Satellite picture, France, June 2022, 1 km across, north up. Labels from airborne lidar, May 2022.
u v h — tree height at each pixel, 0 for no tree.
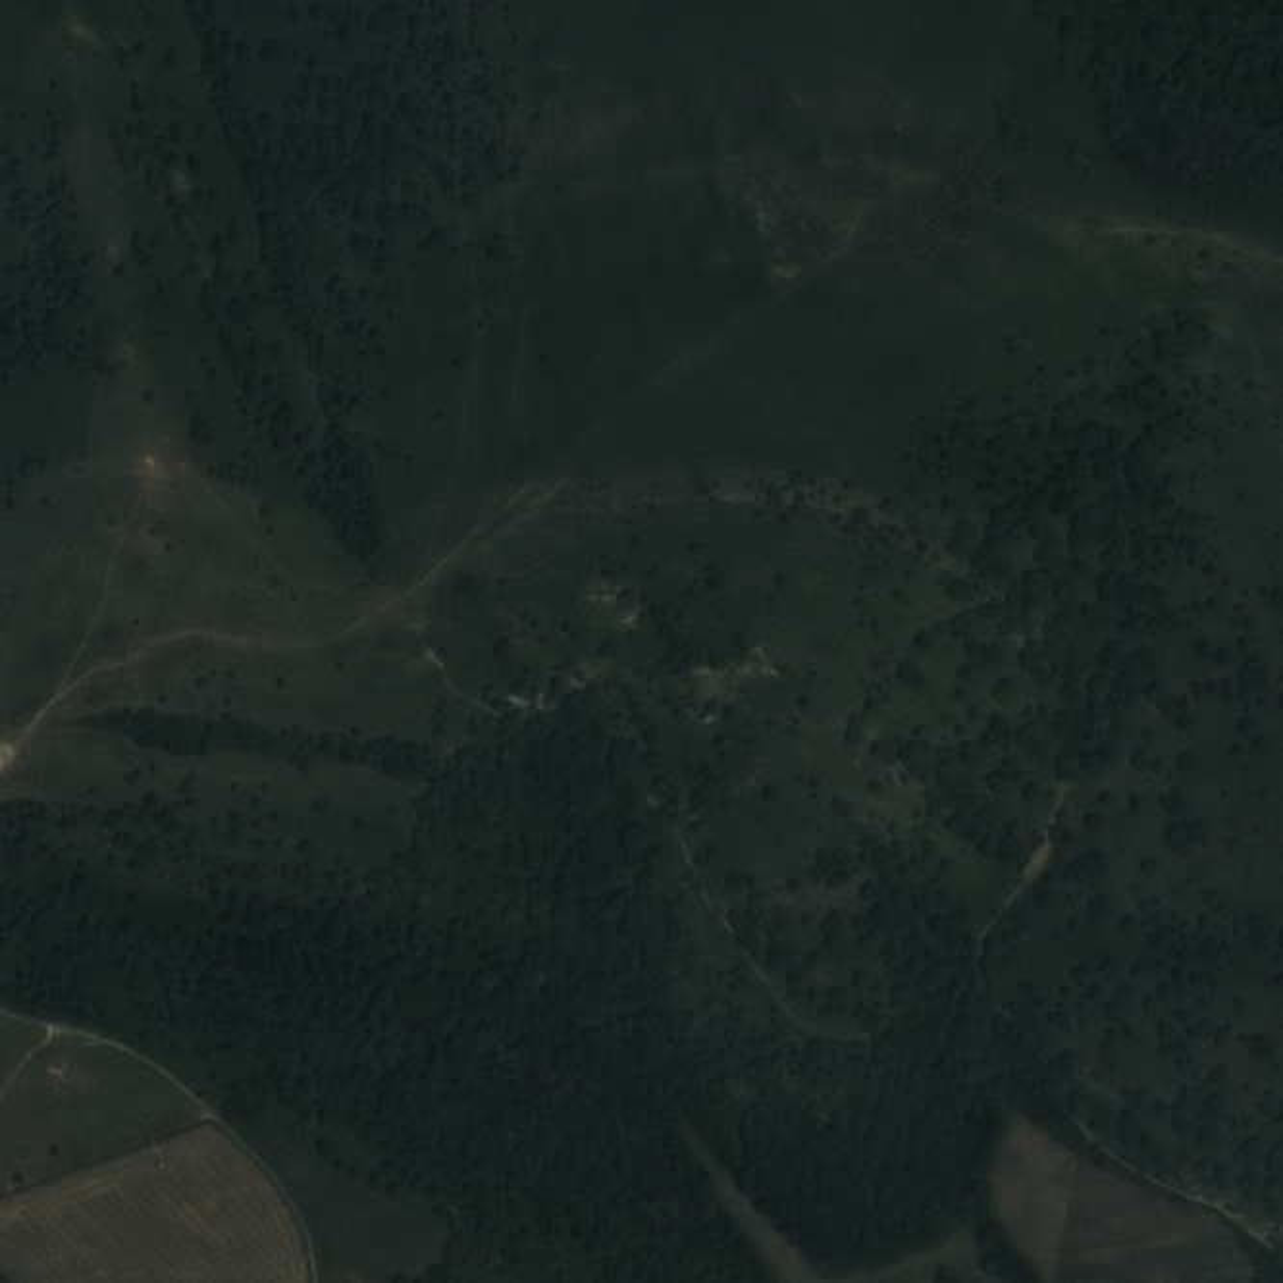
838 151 0
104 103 0
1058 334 0
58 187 8
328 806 8
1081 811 0
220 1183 0
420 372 0
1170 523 7
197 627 0
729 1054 10
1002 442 8
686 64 0
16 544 0
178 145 13
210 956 12
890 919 18
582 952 10
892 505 9
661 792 11
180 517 0
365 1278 0
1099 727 10
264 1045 11
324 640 0
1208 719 0
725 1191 0
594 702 9
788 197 0
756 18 0
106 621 0
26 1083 0
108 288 0
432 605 0
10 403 0
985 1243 16
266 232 13
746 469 0
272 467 0
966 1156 20
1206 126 19
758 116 0
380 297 7
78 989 18
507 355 0
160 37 0
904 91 0
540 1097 23
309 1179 0
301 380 0
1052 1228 0
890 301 0
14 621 0
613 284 0
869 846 11
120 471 0
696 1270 16
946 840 0
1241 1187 11
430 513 0
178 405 0
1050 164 0
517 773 13
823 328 0
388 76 13
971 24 0
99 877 0
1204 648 14
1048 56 0
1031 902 6
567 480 0
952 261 0
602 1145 16
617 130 0
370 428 0
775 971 11
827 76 0
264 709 0
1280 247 0
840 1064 9
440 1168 12
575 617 0
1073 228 0
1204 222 0
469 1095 16
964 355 0
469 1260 8
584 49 0
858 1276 0
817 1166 13
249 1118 11
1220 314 0
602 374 0
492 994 13
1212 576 13
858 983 10
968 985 12
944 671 0
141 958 9
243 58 14
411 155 12
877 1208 20
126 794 0
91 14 0
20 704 0
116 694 0
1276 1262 9
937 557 6
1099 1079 8
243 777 0
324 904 9
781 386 0
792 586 9
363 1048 18
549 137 0
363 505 8
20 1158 0
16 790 0
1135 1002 13
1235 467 0
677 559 0
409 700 0
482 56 8
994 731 17
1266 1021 0
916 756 15
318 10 12
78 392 0
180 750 9
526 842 11
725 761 8
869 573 6
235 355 13
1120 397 9
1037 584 18
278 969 22
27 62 0
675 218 0
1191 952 18
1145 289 0
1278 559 0
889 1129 11
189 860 9
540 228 0
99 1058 0
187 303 0
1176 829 12
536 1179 10
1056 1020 10
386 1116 16
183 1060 0
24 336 12
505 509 0
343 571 0
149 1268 0
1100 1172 9
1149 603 12
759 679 0
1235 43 7
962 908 10
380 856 0
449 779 15
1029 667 14
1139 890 10
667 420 0
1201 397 6
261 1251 0
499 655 9
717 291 0
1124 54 6
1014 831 12
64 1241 0
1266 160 6
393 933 11
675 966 16
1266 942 17
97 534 0
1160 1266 0
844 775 0
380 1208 0
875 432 0
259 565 0
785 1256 0
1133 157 13
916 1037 12
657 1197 22
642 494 0
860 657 0
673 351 0
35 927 8
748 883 6
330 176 14
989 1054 6
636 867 14
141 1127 0
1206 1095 7
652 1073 17
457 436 0
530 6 0
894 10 0
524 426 0
